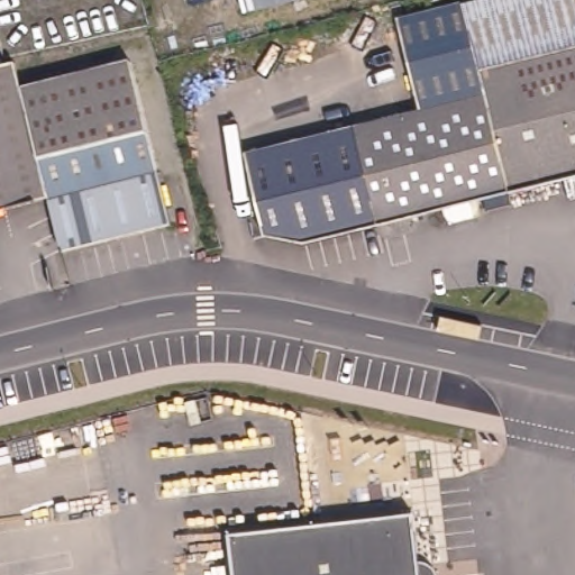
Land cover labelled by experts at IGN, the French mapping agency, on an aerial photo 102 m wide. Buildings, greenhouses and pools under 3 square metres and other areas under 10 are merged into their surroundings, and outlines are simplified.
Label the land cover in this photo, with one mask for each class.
<instances>
[{"label":"impervious surface","instance_id":"1","mask_svg":"<svg viewBox=\"0 0 575 575\"><path fill-rule=\"evenodd\" d=\"M124 9L135 11V2L130 0H0V49H9L22 36H34V47L43 49L45 38L38 27L56 20H65L67 36L76 43H85L88 36L99 38V34L103 38H110L117 29L115 16ZM411 13L404 7L391 11L382 0H377L366 13L364 22H348L339 36L314 34L310 40H296L292 47L279 43L276 47H270L267 54L261 52L249 61L234 58L231 47L222 52H211L209 65L216 70V79L204 81L202 76H195L182 81V92L186 94L189 142L191 153L198 162V175L209 195V207L218 222L216 240L222 245V252L218 256L195 252V245L200 243L195 204L175 144L171 110L155 56L153 47L128 49L124 54L119 45H112L63 61H52L45 65H31L20 70V83H29L124 58L128 63L133 99L139 112V128L150 133V139H146V148L150 166L159 171V180L164 184L159 189L162 202L166 207H175V216L173 222L164 229L108 240L101 245H92L90 249L63 252L56 240V229L47 202H36L31 198L29 202L0 209V425L47 416L166 384L249 382L270 389L337 400L346 404L469 427L476 433V442H442L416 433H404L400 427L362 425L314 409H308L305 413H294L279 407L216 395L198 402L175 398L173 402L128 409V413L121 418L97 420L88 427H65L40 438H34L31 431H25L18 438H0V575H225L227 532L288 528L400 512H409L411 550L418 553V562L429 559L433 575H575V175L517 189L512 191L510 200H485L481 207L476 200L454 204L445 209V213L431 216L427 222H420L418 216H407L312 240H292L265 234L256 189L247 162L243 159V153H247L249 148H263L270 144L288 142L294 137H308L341 126L366 124L391 115L411 112L416 103L407 97L416 83L407 52L409 31L400 22V16ZM481 285L526 290L530 294H537L548 305V319L541 323H530L490 312L445 305L440 303V294H447V290Z\"/></svg>","mask_w":575,"mask_h":575},{"label":"building","instance_id":"2","mask_svg":"<svg viewBox=\"0 0 575 575\"><path fill-rule=\"evenodd\" d=\"M433 9L411 13L400 16V22L409 31L407 52L416 83L407 97L416 103L411 112L391 115L366 124L341 126L308 137H294L288 142L270 144L263 148H249L247 153H243V159L247 162L256 189L265 234L292 240H312L407 216H418L420 222H427L431 216L445 213V209L454 204L476 200L481 207L485 200H510L512 191L517 189L575 175V0H429ZM20 70L11 61L0 63V209L29 202L31 198L36 202H47L56 229V240L63 252L90 249L92 245H101L108 240L164 229L173 222L175 216V207H166L162 202L159 189L164 184L159 180V171L150 166L146 148V139H150V133L139 128V112L133 99L128 63L124 58L29 83H20ZM225 575H433L429 559L418 562V553L411 550L409 512H400L288 528L227 532Z\"/></svg>","mask_w":575,"mask_h":575},{"label":"herbaceous vegetation","instance_id":"3","mask_svg":"<svg viewBox=\"0 0 575 575\"><path fill-rule=\"evenodd\" d=\"M364 22L366 13L346 7L285 25L272 20L261 31L247 25L240 31H227L225 43L220 45L177 49L168 47L166 52L155 56L171 110L175 144L189 142L186 94L182 92V81L195 76H202L204 81L216 79V70L209 65L211 52H222L231 47L234 58L249 61L261 52L267 54L270 47H276L279 43L292 47L296 40H310L314 34L339 36L348 22ZM440 303L445 305L490 312L530 323H541L548 319V305L537 294H530L526 290L481 285L447 290V294H440ZM216 395L279 407L294 413H305L308 409H314L362 425L400 427L404 433H416L442 442H476V433L469 427L346 404L337 400L270 389L249 382L166 384L47 416L0 425V438H18L25 431H31L34 438H40L65 427H88L97 420L121 418L128 413V409L173 402L175 398L198 402Z\"/></svg>","mask_w":575,"mask_h":575},{"label":"pervious surface","instance_id":"4","mask_svg":"<svg viewBox=\"0 0 575 575\"><path fill-rule=\"evenodd\" d=\"M135 2V11L124 9L115 16L117 29L110 38H103L99 34V38L88 36L85 43H76L67 36L65 20H56L38 27L45 38L43 49L34 47V36H22L9 49H0V63L11 61L20 70L31 65H45L52 61H63L112 45H119L124 54L128 49L153 47L155 56L166 52L168 47L177 49L220 45L225 43L227 31H240L247 25L261 31L272 20L285 25L346 7L366 13L377 0H130Z\"/></svg>","mask_w":575,"mask_h":575},{"label":"brushwood","instance_id":"5","mask_svg":"<svg viewBox=\"0 0 575 575\"><path fill-rule=\"evenodd\" d=\"M391 11L404 7L411 13L433 9L429 0H382ZM195 204L200 243L195 245V252L218 256L222 252V245L216 240L218 222L209 207V195L198 175V162L191 153L189 142L175 144Z\"/></svg>","mask_w":575,"mask_h":575}]
</instances>
